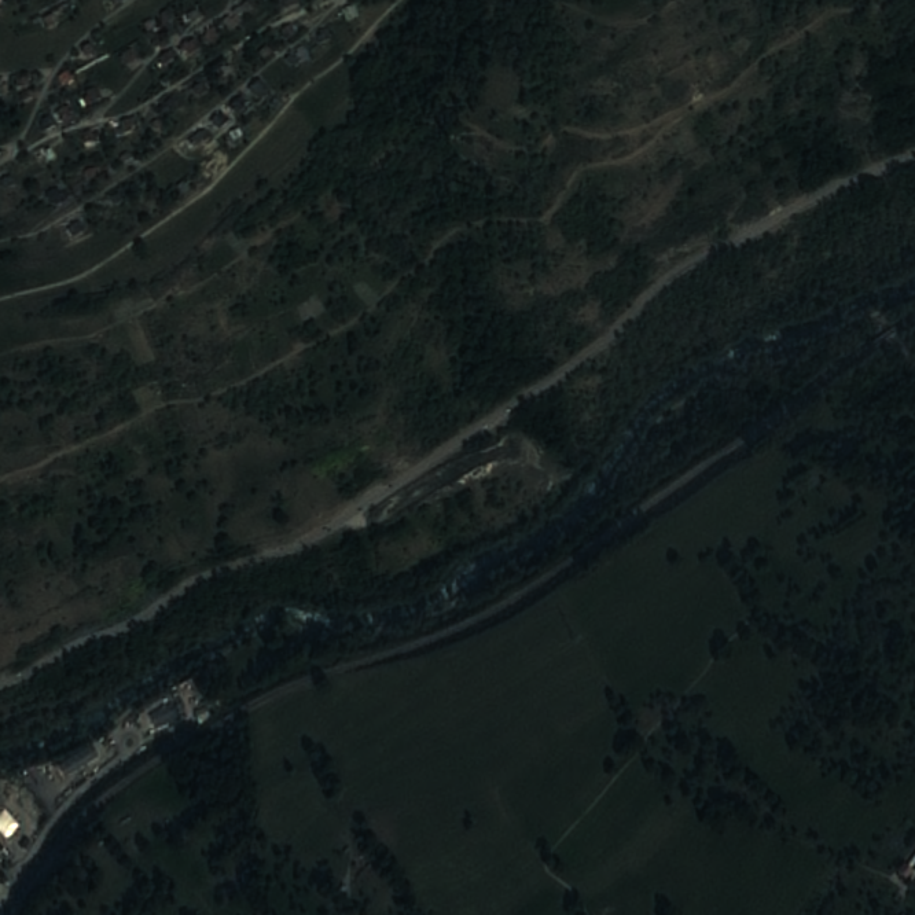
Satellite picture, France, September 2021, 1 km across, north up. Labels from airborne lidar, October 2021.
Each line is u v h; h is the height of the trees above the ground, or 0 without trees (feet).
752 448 71
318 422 19
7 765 46
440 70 64
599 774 0
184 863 0
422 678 0
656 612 0
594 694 0
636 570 0
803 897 0
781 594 0
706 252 0
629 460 39
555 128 37
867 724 52
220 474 0
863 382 62
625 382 28
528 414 77
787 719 23
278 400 35
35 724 69
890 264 73
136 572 0
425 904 0
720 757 40
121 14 0
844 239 53
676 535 0
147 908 25
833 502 0
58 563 44
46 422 39
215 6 0
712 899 0
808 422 34
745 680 0
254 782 40
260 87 0
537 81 57
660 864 0
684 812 0
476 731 0
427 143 47
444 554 20
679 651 0
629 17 0
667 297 47
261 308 0
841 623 32
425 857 0
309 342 28
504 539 45
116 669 67
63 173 22
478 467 0
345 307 24
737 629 0
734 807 56
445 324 35
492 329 50
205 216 0
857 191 48
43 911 0
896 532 41
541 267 26
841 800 0
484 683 0
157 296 20
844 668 66
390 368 23
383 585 45
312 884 27
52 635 38
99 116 0
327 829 0
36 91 28
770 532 0
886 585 32
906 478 55
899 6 83
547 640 0
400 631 48
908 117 56
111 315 0
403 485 0
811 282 61
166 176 0
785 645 51
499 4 43
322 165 50
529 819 0
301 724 0
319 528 0
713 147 20
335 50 0
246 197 21
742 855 0
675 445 36
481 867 0
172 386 31
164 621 58
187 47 0
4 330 0
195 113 0
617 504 67
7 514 50
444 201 61
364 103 59
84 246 0
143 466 0
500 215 43
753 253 32
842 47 35
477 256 64
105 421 56
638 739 46
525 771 0
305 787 0
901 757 23
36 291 0
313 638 50
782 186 44
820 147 77
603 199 44
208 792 77
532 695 0
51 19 0
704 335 78
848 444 38
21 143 22
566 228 22
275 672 77
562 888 0
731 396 60
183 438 26
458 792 0
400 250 52
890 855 0
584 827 0
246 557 30
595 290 33
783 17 51
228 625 55
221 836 33
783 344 49
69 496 0
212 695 59
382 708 0
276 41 22
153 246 0
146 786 0
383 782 0
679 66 0
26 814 0
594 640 0
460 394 43
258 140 0
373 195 57
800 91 52
